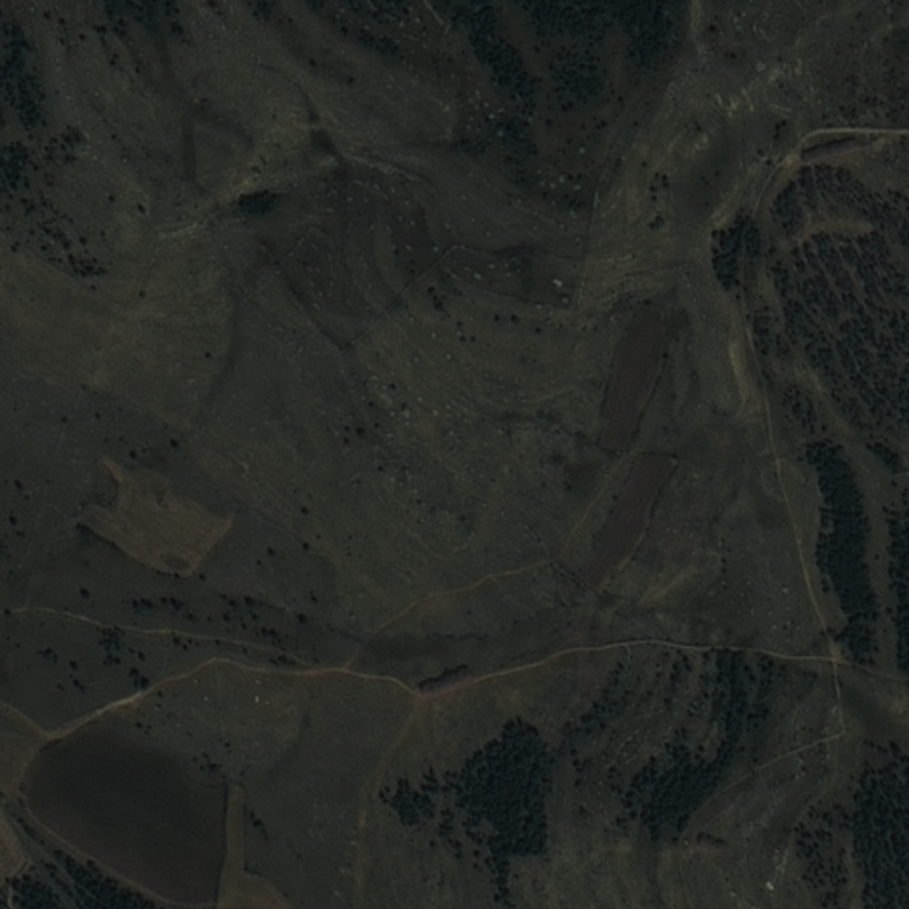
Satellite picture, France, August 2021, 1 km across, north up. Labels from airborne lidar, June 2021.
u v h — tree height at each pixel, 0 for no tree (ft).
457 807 20
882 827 29
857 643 35
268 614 0
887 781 29
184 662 0
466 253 0
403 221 0
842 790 0
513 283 0
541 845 26
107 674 0
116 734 0
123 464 0
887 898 40
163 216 0
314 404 0
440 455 0
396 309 0
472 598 0
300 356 0
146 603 28
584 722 27
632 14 26
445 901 0
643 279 0
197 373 0
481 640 0
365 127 0
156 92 0
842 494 40
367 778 0
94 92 0
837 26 0
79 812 0
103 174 0
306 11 0
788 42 0
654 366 0
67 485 0
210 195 0
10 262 0
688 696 0
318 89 0
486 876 0
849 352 30
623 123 0
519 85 22
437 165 0
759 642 0
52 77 0
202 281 0
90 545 0
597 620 0
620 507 0
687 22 0
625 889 0
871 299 32
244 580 0
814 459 23
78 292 0
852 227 0
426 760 0
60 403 0
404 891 0
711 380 0
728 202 0
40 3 0
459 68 0
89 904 24
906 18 0
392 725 0
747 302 0
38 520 0
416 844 0
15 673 0
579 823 0
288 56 0
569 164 0
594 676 0
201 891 0
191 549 0
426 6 0
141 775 0
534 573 0
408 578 0
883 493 0
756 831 0
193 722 0
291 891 0
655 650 0
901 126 0
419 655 0
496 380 0
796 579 0
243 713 0
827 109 0
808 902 0
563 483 0
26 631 0
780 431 0
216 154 0
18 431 0
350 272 0
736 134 0
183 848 0
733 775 0
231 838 0
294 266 0
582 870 0
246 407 0
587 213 0
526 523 0
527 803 40
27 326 0
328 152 0
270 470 0
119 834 0
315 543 0
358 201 0
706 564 0
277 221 0
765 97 0
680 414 0
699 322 0
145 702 0
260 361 0
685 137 0
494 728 0
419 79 0
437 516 0
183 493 0
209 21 0
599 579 0
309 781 0
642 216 0
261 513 0
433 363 0
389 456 0
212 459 0
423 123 0
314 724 0
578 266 0
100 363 0
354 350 0
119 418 0
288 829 0
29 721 0
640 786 30
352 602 0
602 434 0
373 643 0
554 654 0
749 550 0
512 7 0
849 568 47
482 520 0
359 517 0
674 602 0
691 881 0
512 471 0
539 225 0
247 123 0
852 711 0
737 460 0
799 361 0
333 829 0
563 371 0
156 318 0
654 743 0
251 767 0
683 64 0
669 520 0
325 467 0
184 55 0
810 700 0
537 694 0
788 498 0
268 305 0
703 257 0
